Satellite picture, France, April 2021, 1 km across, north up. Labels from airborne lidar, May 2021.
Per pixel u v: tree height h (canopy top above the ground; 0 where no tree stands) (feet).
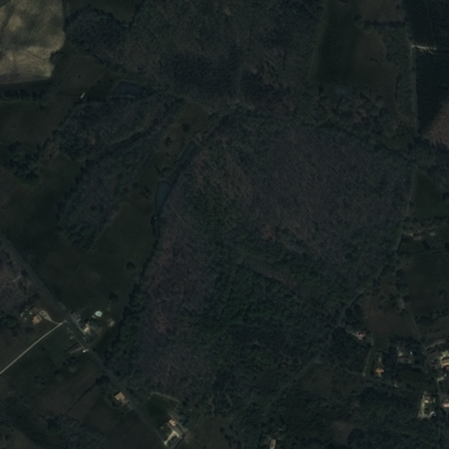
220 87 73
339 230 58
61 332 0
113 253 0
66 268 0
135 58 73
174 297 44
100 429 0
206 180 87
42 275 0
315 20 65
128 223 0
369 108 60
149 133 52
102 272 0
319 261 44
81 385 0
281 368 41
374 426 52
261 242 66
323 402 36
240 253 66
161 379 38
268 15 68
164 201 20
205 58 59
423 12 43
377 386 22
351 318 66
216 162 37
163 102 55
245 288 67
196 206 62
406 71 58
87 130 88
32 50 0
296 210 53
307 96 64
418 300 0
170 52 67
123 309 0
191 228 50
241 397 53
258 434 33
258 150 41
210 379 46
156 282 38
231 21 64
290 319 55
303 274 90
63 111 0
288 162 60
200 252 48
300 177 47
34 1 0
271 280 31
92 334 31
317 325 49
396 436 41
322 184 43
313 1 52
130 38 63
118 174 46
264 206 55
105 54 49
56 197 0
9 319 49
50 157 24
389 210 60
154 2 70
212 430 0
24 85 0
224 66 66
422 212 0
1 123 0
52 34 0
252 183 62
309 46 57
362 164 59
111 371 29
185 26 62
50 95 49
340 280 54
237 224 59
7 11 0
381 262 65
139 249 0
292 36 68
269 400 32
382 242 61
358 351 44
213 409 37
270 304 72
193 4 57
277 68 28
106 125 53
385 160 61
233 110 53
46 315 0
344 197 58
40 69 0
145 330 48
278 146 60
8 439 39
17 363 0
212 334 77
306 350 52
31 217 0
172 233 57
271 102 41
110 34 77
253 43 70
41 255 0
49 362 0
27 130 0
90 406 0
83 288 0
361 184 52
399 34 65
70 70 0
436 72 45
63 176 0
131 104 50
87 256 0
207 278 42
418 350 46
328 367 43
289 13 61
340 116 71
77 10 0
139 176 60
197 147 0
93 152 75
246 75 57
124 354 38
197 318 69
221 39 61
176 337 50
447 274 0
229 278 61
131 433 0
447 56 45
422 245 0
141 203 0
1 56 0
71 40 53
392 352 42
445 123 69
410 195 42
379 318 0
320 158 47
